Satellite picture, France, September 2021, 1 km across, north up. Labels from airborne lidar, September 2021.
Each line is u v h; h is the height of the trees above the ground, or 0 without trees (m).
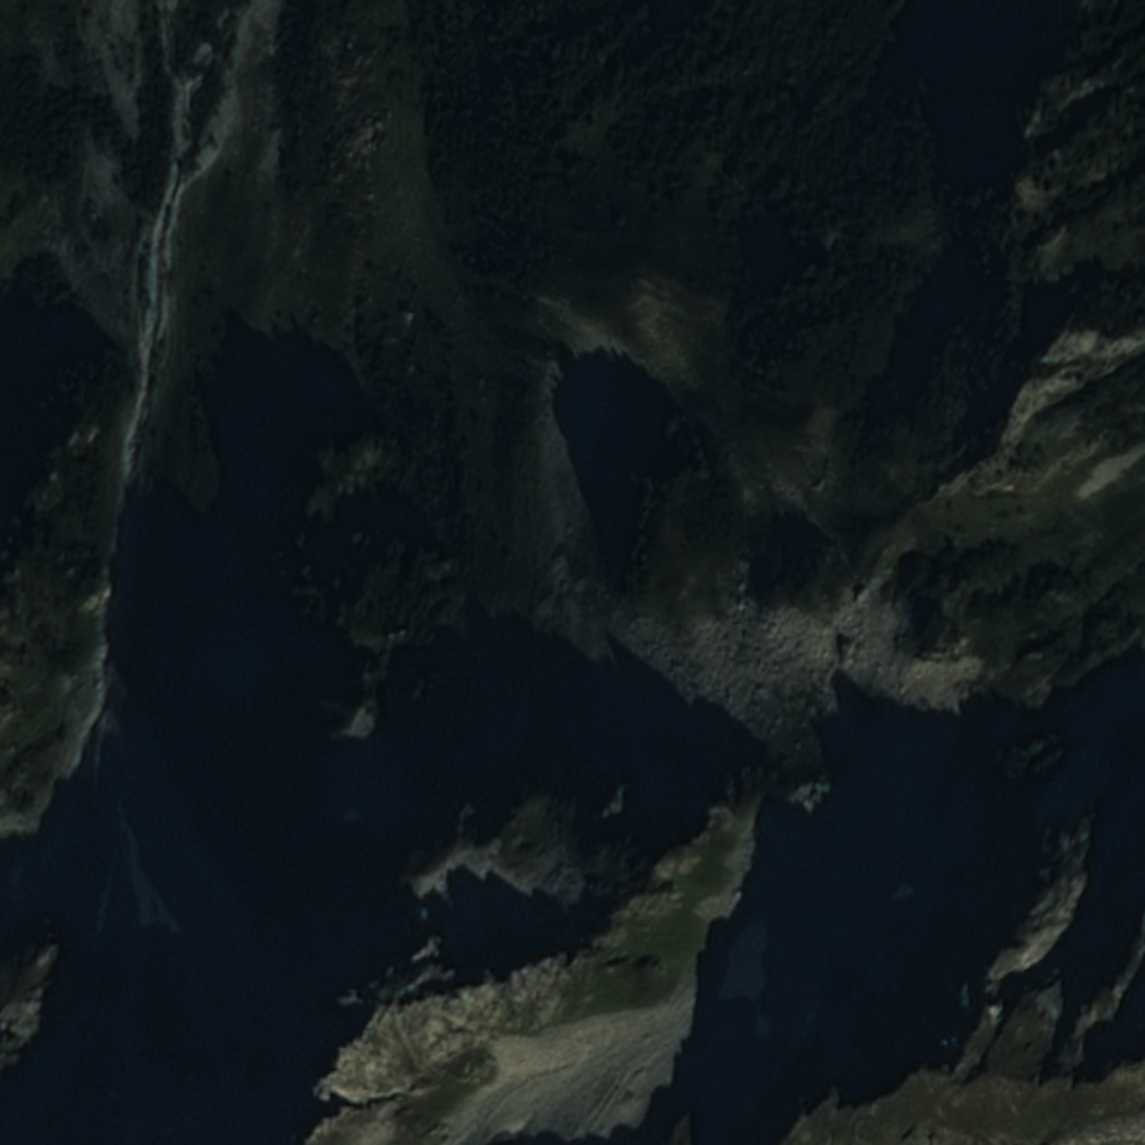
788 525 0
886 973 0
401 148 0
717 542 0
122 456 0
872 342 0
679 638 0
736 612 0
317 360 0
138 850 0
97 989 0
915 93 7
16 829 0
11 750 0
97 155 0
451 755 7
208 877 0
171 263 0
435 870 0
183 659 0
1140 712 0
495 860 0
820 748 0
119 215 0
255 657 0
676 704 0
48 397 5
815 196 6
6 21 0
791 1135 0
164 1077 0
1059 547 0
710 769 0
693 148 8
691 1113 0
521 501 0
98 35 0
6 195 0
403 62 0
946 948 0
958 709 0
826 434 0
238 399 0
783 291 15
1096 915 0
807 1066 0
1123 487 0
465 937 0
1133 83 7
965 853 0
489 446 0
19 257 0
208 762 0
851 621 0
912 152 7
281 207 0
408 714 0
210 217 0
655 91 7
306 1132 0
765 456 0
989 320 6
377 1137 0
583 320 0
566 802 0
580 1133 0
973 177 7
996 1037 0
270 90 0
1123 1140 0
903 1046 0
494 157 9
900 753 0
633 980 0
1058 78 11
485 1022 0
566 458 0
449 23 8
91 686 0
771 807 0
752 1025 0
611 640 0
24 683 0
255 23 0
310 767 0
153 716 0
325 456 10
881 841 0
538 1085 0
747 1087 0
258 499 0
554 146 9
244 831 0
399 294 0
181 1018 0
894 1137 0
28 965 0
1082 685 0
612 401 0
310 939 0
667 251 0
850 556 0
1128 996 0
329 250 0
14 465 17
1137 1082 0
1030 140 7
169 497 0
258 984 0
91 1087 0
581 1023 0
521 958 0
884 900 0
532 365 0
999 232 8
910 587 0
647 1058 0
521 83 7
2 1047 0
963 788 0
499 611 0
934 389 6
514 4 12
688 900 0
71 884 0
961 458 0
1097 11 8
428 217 0
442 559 17
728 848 0
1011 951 0
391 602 5
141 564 0
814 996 0
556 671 0
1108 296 11
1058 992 0
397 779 0
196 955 0
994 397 0
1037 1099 0
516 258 6
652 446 6
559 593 0
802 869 0
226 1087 0
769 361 6
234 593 0
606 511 0
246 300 0
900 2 7
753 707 0
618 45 8
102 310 0
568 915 0
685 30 9
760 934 0
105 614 0
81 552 5
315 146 0
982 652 0
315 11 9
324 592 7
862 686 0
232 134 0
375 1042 0
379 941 0
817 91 6
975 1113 0
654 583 0
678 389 0
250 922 0
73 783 0
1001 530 0
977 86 12
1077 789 0
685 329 0
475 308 0
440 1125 0
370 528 8
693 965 0
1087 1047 0
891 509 0
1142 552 0
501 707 0
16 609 6
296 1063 0
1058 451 0
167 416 0
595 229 0
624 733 0
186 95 0
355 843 0
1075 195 14
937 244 0
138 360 0
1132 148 11
